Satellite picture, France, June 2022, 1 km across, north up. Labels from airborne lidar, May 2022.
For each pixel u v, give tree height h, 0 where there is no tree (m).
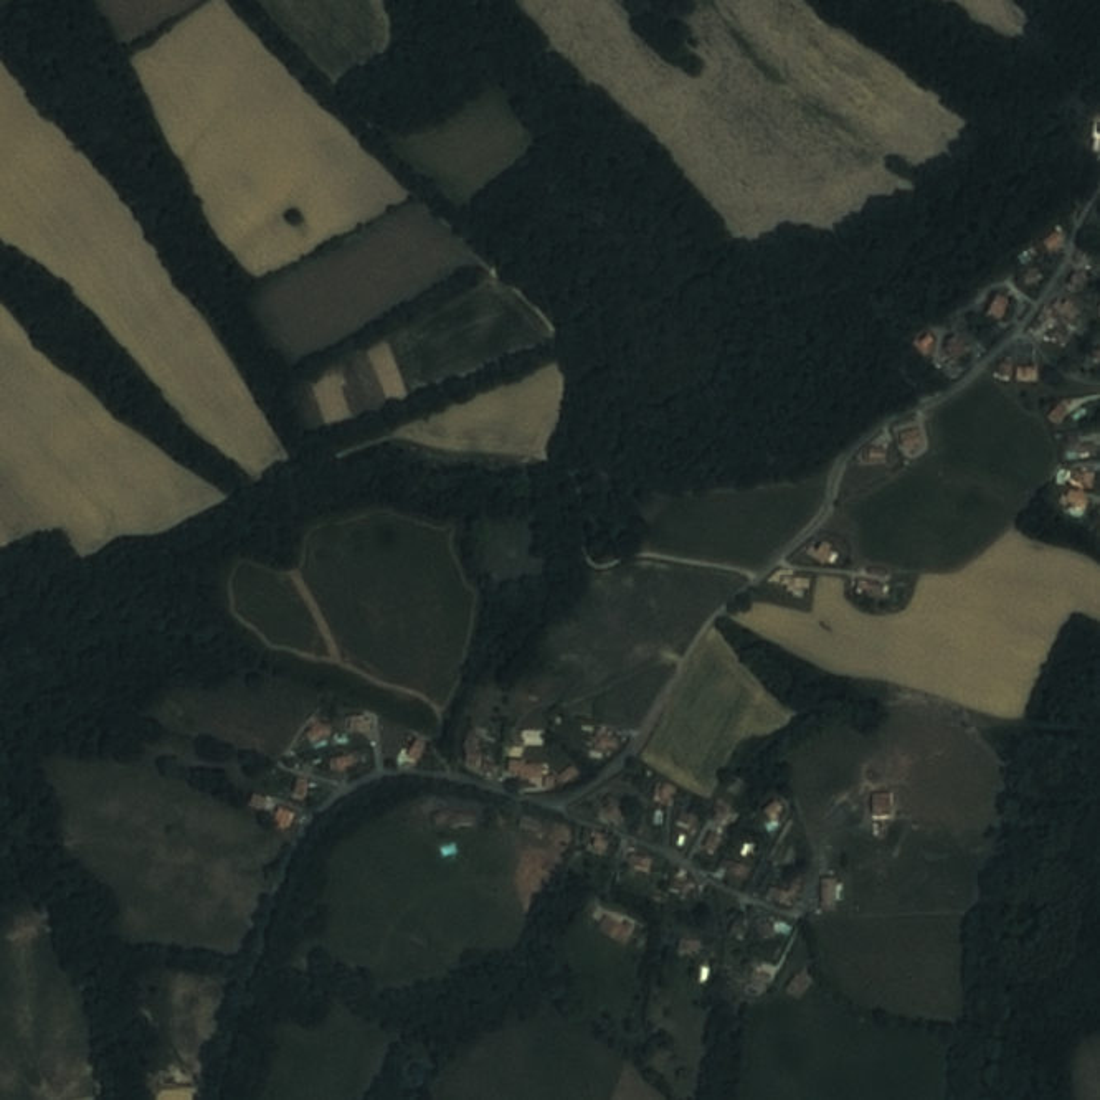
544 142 16
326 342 0
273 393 20
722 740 0
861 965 0
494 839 0
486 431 0
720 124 0
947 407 0
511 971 19
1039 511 18
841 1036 0
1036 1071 29
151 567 20
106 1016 21
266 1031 12
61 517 0
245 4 18
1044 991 25
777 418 26
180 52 0
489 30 25
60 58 17
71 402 0
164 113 0
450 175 0
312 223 0
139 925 0
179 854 0
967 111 18
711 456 24
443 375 0
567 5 0
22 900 14
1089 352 15
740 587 0
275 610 0
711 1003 10
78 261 0
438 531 0
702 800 8
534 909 11
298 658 0
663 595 0
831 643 0
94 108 24
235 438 0
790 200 0
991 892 22
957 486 0
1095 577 0
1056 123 15
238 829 0
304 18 0
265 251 0
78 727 14
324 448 21
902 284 17
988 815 0
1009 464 0
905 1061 0
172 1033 0
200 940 0
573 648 0
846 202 0
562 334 17
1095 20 26
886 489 0
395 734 0
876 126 0
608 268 18
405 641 0
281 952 18
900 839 0
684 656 0
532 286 19
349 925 0
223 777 16
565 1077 0
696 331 14
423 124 19
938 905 0
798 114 0
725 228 15
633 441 26
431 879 0
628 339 10
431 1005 21
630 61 0
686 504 0
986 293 0
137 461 0
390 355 0
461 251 0
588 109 26
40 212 0
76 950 20
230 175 0
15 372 0
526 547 0
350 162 0
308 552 0
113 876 0
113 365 20
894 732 0
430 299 11
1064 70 21
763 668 27
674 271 20
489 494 19
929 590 0
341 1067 0
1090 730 29
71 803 0
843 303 31
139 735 18
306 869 21
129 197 16
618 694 0
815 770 0
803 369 26
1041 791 28
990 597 0
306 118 0
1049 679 10
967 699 0
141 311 0
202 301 7
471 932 0
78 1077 0
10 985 0
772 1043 0
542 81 24
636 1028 18
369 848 0
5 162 0
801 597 0
